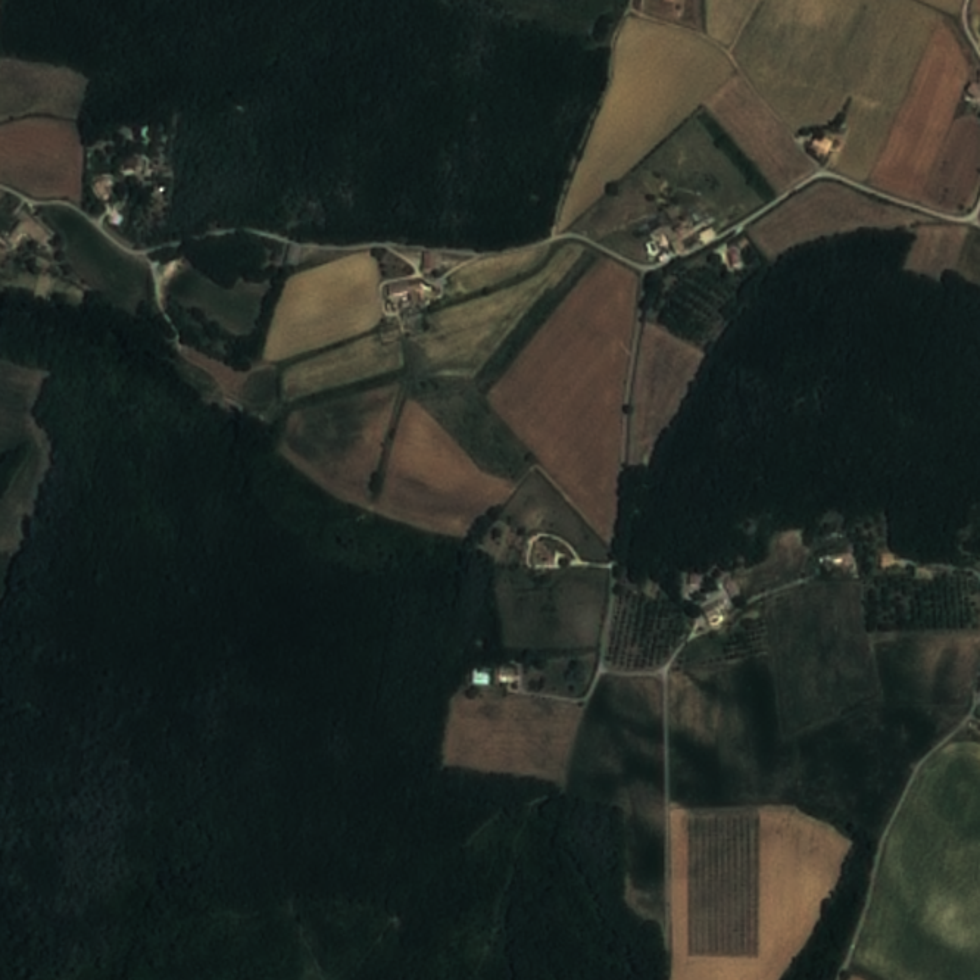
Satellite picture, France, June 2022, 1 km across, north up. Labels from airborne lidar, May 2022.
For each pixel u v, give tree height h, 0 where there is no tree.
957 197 0
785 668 0
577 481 0
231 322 0
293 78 7
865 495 10
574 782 0
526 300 0
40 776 18
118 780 16
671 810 0
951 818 0
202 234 11
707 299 7
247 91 11
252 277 11
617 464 0
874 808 0
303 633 11
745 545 16
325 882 7
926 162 0
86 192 6
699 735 0
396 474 0
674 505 10
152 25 7
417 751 12
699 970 0
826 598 0
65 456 15
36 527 23
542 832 6
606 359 0
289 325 0
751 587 0
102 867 20
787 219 0
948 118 0
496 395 0
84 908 15
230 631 9
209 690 14
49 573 13
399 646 14
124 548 10
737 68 0
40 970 11
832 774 0
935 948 0
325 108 9
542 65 9
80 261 0
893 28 0
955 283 15
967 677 0
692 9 0
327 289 0
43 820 21
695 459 11
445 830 8
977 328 15
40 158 0
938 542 11
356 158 8
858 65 0
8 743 19
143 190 12
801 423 12
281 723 12
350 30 7
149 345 19
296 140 8
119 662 9
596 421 0
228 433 15
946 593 9
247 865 16
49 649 11
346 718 6
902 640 0
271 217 8
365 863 8
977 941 0
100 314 16
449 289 0
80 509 11
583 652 6
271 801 11
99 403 11
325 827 7
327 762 8
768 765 0
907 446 6
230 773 15
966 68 0
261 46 9
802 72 0
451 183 9
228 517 8
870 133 0
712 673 0
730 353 10
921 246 0
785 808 0
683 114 0
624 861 13
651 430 0
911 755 0
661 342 0
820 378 8
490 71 9
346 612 9
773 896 0
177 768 14
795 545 0
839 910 10
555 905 19
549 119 10
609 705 0
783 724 0
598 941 7
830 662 0
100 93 7
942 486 10
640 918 11
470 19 6
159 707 15
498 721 0
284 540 10
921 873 0
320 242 13
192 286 0
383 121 7
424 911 8
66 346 13
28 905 21
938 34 0
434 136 7
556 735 0
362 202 11
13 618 17
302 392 0
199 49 6
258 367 0
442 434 0
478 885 6
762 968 0
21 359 13
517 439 0
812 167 0
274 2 9
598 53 9
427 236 12
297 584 7
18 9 8
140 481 7
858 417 9
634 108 0
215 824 15
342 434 0
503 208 8
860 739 0
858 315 10
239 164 6
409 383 0
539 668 16
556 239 0
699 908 0
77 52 7
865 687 0
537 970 25
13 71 0
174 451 8
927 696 0
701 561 13
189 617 9
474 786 15
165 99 11
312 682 9
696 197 0
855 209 0
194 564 8
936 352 13
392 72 9
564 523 0
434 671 15
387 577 8
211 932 7
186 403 7
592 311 0
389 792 7
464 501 0
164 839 24
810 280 10
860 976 0
